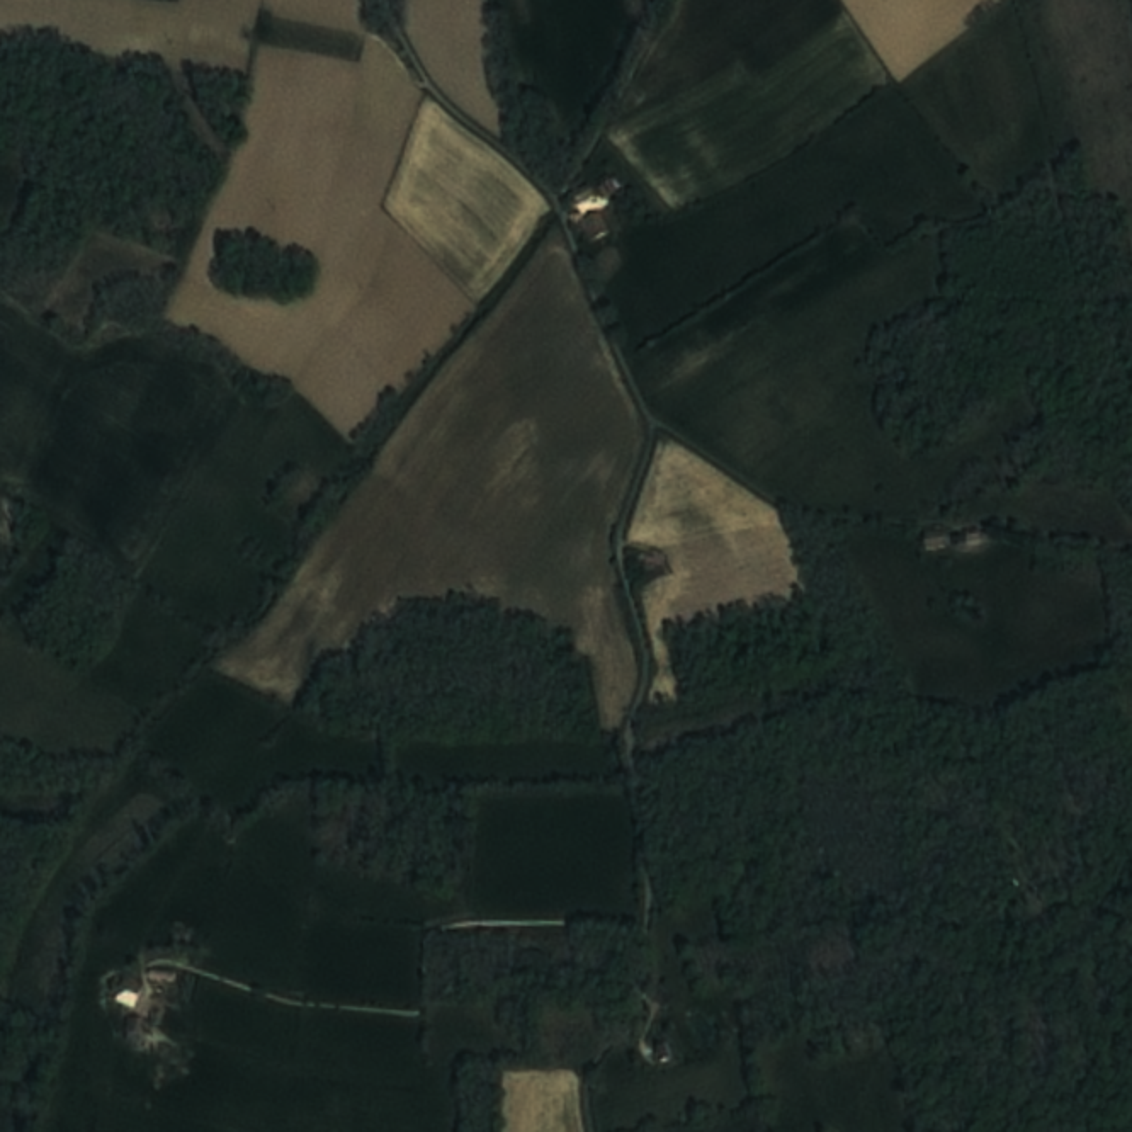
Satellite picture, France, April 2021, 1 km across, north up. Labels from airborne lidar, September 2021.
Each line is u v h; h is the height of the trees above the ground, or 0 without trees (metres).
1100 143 0
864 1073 0
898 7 0
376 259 0
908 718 17
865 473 0
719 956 17
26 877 24
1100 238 11
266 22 0
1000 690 0
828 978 14
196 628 6
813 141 6
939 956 21
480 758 0
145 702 0
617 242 0
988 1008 24
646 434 0
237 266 24
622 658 0
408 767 0
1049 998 25
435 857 22
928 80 0
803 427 0
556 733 19
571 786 14
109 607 16
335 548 0
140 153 20
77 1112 0
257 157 0
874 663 19
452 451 0
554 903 0
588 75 0
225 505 0
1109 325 26
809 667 22
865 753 20
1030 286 16
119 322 19
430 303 0
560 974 16
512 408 0
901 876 16
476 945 11
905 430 19
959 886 22
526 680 19
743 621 17
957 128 0
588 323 0
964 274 13
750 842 22
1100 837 21
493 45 14
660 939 0
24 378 0
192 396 0
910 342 17
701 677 19
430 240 0
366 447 11
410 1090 0
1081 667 0
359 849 18
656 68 0
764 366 0
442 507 0
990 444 0
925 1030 20
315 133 0
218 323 0
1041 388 24
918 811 22
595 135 11
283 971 0
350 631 0
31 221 20
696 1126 17
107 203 22
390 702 18
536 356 0
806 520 12
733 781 18
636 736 6
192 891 0
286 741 0
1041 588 0
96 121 19
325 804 17
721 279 0
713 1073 0
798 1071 0
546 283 0
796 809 17
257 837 0
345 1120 0
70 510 0
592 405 0
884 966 20
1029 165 0
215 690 0
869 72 0
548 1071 15
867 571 0
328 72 0
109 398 0
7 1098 20
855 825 21
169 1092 0
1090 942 23
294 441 0
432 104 0
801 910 17
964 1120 18
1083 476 20
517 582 0
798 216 0
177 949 15
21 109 22
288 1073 0
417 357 0
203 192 20
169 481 0
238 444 0
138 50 0
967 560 0
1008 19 0
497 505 0
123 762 17
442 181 0
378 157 0
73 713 0
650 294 0
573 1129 0
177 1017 0
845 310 0
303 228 0
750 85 0
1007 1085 20
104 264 0
